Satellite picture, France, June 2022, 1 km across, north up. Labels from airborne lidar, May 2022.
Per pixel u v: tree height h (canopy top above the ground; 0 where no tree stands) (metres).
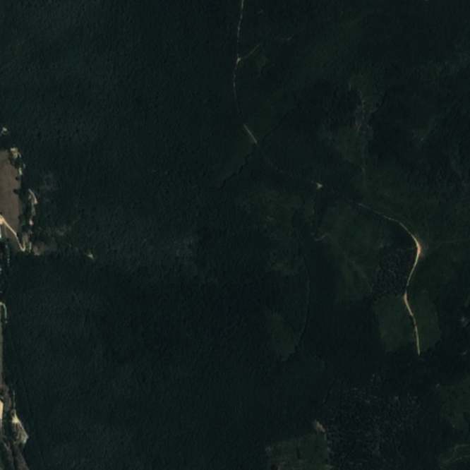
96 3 9
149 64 10
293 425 10
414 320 11
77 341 10
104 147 14
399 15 9
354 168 7
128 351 8
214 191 14
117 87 8
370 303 16
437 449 12
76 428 8
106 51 10
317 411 8
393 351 7
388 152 9
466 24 9
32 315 7
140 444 7
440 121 8
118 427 6
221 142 8
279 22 12
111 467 8
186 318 10
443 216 7
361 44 12
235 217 11
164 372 11
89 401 9
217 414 9
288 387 8
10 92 12
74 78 10
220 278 8
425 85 11
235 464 10
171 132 10
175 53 9
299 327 8
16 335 11
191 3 10
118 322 7
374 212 9
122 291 10
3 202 0
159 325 11
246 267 7
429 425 11
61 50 11
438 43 12
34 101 12
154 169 12
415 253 9
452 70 11
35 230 8
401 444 10
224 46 8
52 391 10
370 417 11
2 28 8
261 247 13
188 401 9
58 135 7
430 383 13
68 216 8
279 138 11
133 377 9
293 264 7
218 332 12
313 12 9
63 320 10
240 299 13
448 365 16
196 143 10
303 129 11
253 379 9
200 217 14
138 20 13
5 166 0
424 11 7
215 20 9
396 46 11
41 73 8
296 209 9
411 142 9
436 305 9
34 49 10
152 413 12
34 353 7
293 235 8
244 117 10
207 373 9
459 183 9
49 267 8
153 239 7
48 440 7
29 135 8
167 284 7
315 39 10
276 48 11
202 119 11
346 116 15
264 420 9
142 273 14
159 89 11
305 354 14
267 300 17
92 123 7
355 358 14
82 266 11
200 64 9
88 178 13
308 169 7
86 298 7
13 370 9
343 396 14
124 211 8
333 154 12
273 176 9
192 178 15
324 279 8
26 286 10
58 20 6
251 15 10
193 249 8
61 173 8
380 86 12
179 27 8
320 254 8
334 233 0
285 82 11
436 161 11
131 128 9
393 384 12
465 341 14
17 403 7
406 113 11
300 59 13
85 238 8
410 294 7
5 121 11
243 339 10
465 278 9
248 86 11
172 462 13
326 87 17
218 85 9
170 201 12
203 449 9
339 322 8
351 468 14
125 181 10
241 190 10
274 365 13
